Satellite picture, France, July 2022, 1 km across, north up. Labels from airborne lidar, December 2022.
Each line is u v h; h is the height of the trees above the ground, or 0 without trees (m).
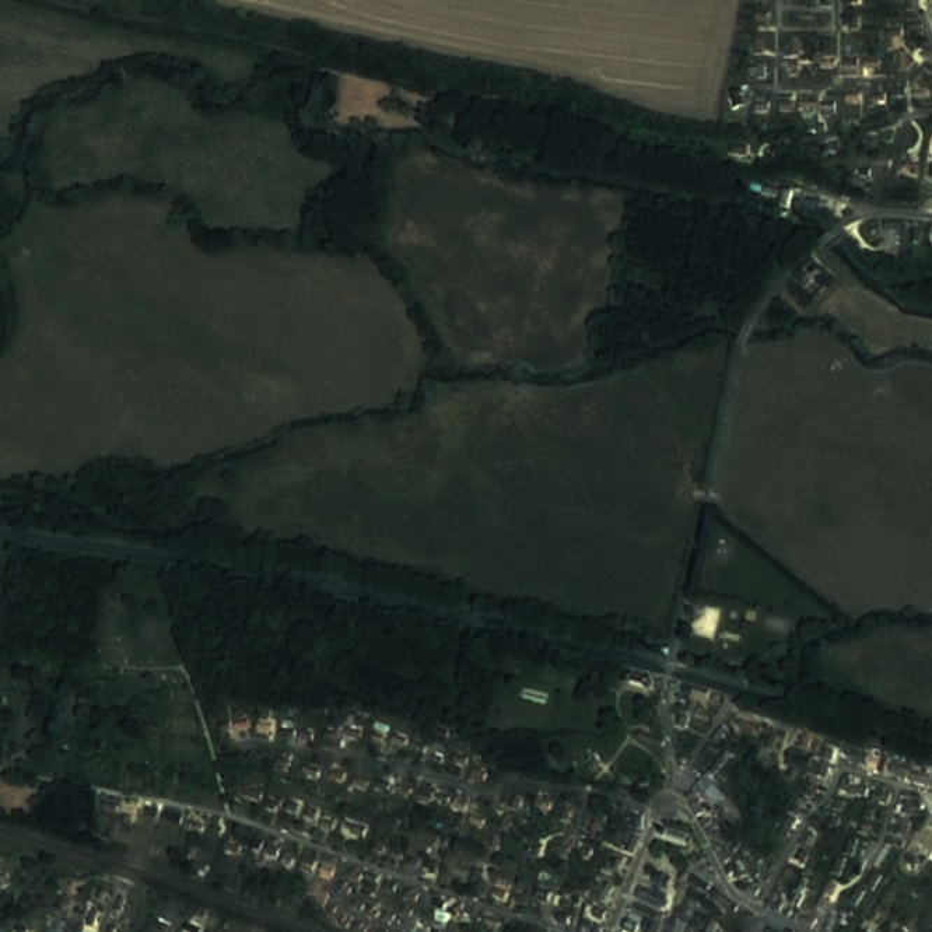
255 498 0
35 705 16
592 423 0
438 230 0
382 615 17
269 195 0
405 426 0
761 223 18
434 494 0
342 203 36
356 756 0
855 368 0
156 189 10
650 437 0
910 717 16
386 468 0
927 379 0
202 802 0
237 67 0
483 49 0
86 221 0
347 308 0
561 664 25
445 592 27
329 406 0
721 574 0
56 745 23
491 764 18
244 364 0
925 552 0
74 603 9
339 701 18
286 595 26
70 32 0
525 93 17
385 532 0
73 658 17
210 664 16
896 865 0
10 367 0
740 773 9
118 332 0
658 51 0
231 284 0
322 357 0
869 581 0
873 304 0
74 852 0
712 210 14
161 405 0
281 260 0
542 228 0
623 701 0
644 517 0
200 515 7
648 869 6
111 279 0
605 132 32
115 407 0
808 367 0
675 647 0
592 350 9
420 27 0
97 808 21
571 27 0
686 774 0
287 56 6
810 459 0
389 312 0
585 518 0
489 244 0
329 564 31
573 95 13
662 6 0
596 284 0
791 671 21
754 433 0
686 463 0
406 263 0
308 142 24
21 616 31
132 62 15
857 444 0
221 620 17
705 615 0
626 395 0
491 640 26
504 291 0
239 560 29
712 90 0
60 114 0
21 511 18
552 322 0
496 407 0
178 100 0
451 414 0
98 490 9
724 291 28
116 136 0
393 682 11
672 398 0
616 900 0
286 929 0
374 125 9
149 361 0
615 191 9
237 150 0
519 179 13
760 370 0
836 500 0
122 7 0
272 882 5
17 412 0
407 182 0
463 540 0
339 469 0
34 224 0
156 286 0
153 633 0
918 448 0
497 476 0
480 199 0
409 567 10
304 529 0
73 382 0
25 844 0
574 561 0
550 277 0
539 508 0
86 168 0
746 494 0
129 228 0
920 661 0
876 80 0
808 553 0
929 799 0
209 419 0
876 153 10
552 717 0
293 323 0
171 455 0
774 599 0
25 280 0
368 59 11
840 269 0
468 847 17
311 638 25
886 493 0
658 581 0
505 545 0
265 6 0
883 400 0
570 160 33
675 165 36
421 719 20
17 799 0
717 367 0
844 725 29
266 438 6
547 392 0
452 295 0
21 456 0
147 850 0
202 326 0
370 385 0
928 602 0
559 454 0
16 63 0
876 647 0
